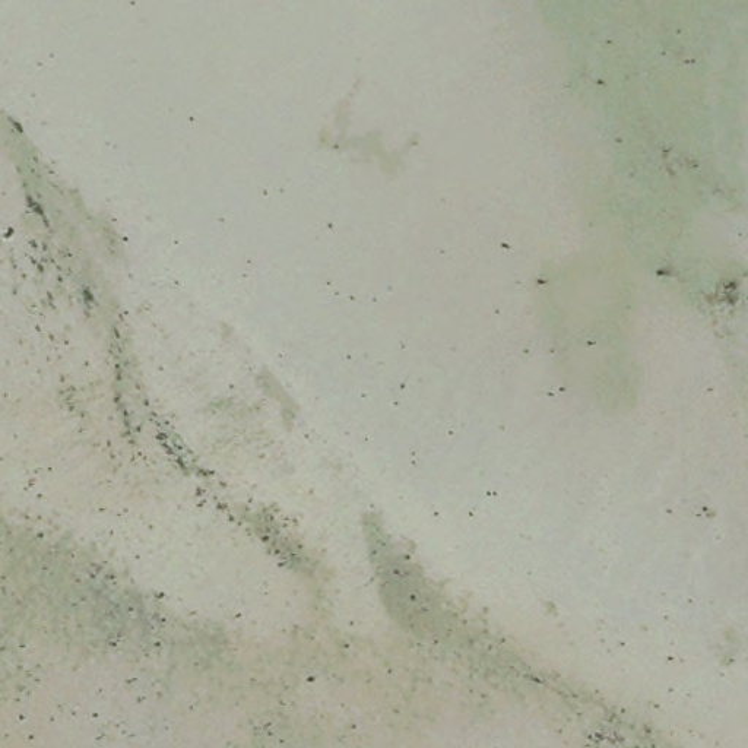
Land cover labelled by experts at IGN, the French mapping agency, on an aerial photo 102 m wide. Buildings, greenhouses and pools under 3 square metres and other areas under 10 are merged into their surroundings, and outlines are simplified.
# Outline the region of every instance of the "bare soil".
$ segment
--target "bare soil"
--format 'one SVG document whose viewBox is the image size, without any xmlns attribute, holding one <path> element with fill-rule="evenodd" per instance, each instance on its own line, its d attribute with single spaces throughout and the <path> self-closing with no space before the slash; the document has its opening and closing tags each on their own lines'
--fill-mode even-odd
<svg viewBox="0 0 748 748">
<path fill-rule="evenodd" d="M 748 0 L 0 0 L 0 748 L 748 748 Z"/>
</svg>

